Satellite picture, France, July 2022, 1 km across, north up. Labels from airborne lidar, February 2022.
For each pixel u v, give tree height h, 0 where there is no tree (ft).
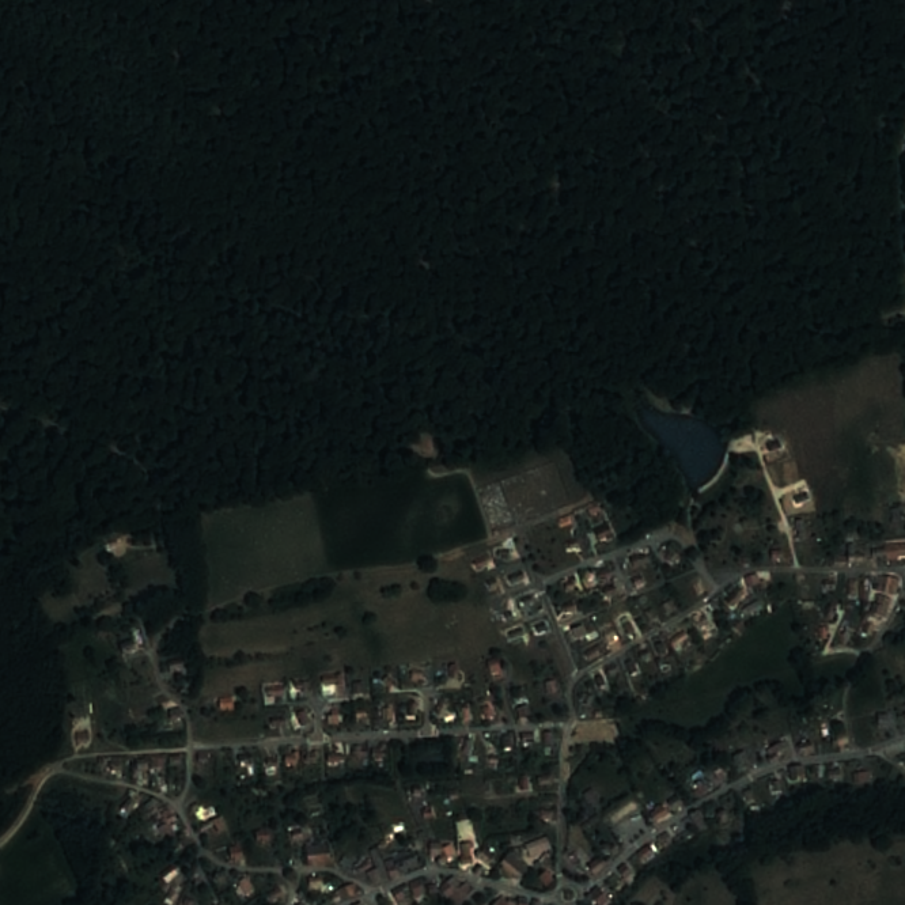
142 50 82
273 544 0
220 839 0
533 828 29
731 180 101
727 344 100
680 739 56
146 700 0
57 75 82
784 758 0
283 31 26
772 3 96
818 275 92
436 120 89
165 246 71
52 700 52
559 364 110
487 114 83
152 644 0
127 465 83
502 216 85
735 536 0
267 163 85
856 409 0
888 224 79
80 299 88
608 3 79
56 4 75
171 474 78
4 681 55
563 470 0
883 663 0
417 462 57
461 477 0
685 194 102
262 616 0
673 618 0
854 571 0
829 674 0
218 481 84
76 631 25
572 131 86
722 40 74
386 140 88
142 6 79
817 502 0
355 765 0
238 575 0
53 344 85
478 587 0
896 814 55
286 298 94
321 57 74
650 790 0
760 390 51
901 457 0
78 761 0
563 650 0
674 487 64
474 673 0
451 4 99
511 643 0
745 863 49
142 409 84
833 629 0
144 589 0
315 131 97
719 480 0
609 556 0
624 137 85
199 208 80
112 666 36
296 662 0
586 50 97
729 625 31
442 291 83
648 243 95
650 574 0
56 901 0
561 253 92
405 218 84
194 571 59
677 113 87
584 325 86
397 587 34
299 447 99
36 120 79
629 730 0
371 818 45
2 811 50
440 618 0
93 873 48
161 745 19
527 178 77
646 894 0
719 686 0
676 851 0
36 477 87
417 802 0
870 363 0
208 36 77
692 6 98
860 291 91
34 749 44
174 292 92
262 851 0
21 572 80
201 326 79
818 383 0
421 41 101
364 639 0
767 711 41
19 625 48
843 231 91
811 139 94
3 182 94
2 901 0
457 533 0
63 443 96
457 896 0
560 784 0
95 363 89
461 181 75
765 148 93
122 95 65
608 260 83
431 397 89
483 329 96
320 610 0
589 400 94
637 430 72
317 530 0
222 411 94
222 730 0
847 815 54
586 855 0
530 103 87
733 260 98
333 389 90
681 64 91
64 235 91
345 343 103
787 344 78
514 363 81
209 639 0
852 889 0
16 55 69
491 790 0
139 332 91
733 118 97
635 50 78
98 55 67
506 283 79
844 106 84
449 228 71
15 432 95
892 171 75
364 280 74
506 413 98
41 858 0
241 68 89
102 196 62
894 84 89
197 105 94
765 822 44
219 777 0
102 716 0
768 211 88
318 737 0
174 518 63
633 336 97
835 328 88
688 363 79
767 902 0
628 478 74
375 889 0
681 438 0
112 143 77
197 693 35
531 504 0
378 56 87
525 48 89
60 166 98
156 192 73
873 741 0
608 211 93
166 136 78
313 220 84
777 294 97
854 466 0
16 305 85
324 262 96
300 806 0
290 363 94
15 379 96
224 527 0
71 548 80
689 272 81
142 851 69
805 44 90
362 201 71
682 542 0
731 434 80
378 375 98
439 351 94
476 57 93
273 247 68
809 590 0
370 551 0
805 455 0
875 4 95
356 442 109
